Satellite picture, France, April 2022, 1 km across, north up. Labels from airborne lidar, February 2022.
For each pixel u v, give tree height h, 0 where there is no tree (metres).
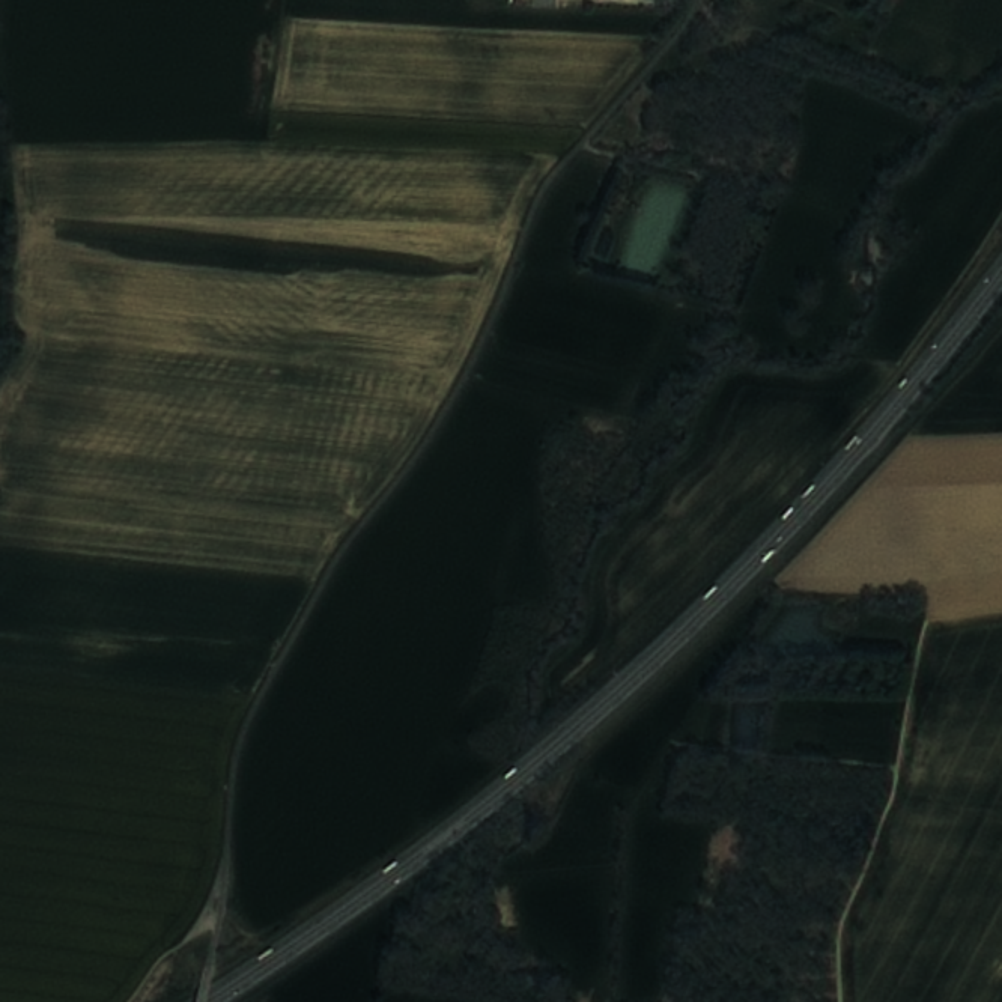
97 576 0
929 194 0
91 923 0
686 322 0
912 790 0
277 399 0
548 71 0
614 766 0
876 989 0
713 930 25
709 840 0
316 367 0
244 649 0
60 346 0
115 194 0
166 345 0
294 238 0
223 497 0
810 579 0
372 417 0
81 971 0
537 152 0
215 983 0
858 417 0
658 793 0
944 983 0
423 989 21
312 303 0
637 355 0
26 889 0
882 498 0
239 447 0
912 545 0
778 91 24
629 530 0
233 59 0
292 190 0
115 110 0
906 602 16
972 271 0
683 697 0
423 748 0
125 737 0
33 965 0
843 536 0
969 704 0
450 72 0
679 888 0
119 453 0
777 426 0
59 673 0
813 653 16
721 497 0
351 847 0
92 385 0
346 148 0
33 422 0
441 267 0
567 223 0
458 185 0
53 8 0
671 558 0
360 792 0
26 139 0
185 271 0
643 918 0
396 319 0
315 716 0
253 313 0
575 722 0
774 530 0
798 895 29
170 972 0
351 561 0
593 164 0
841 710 0
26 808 0
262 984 0
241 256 0
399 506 0
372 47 0
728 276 22
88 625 0
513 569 0
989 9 0
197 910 0
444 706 0
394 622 0
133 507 0
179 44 0
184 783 0
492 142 0
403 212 0
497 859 25
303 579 0
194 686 0
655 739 0
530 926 0
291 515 0
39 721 0
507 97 0
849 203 0
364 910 0
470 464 0
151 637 0
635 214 0
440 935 29
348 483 0
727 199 26
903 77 14
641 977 0
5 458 0
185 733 0
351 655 0
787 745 0
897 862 0
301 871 0
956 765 0
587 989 0
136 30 0
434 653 0
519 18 0
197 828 0
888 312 0
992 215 0
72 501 0
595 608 0
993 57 0
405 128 0
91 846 0
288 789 0
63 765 0
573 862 0
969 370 0
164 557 0
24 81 0
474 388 0
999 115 0
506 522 0
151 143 0
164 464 0
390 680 0
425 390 0
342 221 0
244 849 0
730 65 23
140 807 0
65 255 0
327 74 0
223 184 0
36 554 0
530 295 0
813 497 0
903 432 0
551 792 0
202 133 0
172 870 0
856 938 0
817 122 0
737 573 0
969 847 0
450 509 0
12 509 0
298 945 0
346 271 0
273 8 0
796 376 0
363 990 0
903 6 0
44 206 0
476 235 0
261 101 0
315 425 0
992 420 0
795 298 0
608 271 17
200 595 0
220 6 0
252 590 0
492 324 0
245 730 0
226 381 0
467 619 0
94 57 0
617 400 0
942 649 0
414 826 0
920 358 0
